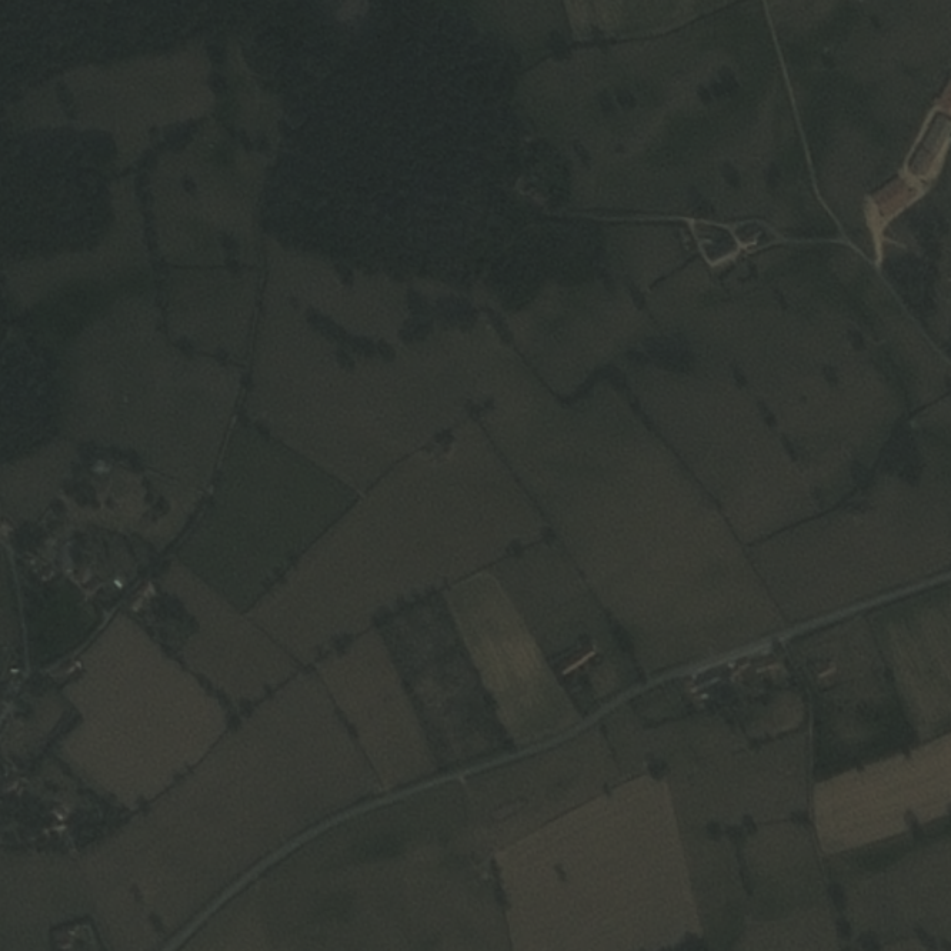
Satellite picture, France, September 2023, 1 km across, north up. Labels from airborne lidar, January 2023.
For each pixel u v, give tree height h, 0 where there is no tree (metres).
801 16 0
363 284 0
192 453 0
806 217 0
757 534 0
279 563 0
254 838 0
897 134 0
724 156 0
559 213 7
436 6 15
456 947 0
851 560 0
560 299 0
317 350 0
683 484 0
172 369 0
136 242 0
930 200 0
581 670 7
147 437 0
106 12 7
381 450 0
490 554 0
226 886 0
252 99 0
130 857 0
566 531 0
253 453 0
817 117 0
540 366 0
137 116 0
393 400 0
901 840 0
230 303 0
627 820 0
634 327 0
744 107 0
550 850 0
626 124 0
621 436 0
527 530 0
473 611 0
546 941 0
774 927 0
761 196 0
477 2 0
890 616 0
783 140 0
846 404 0
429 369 0
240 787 0
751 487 0
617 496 0
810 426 0
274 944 0
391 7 19
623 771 0
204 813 0
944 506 0
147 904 0
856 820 0
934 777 0
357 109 18
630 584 0
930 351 0
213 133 0
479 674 8
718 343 0
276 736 0
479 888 0
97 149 18
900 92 0
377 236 20
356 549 0
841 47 0
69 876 0
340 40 19
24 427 13
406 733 0
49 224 20
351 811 0
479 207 26
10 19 21
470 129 20
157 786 0
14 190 21
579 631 0
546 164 0
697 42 0
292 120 20
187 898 0
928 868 0
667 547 0
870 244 0
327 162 22
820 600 0
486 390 0
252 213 0
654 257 0
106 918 0
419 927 0
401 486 0
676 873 0
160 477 0
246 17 29
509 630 0
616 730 0
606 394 0
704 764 0
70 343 0
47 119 0
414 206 24
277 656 0
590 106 0
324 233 20
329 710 0
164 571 7
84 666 10
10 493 0
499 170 24
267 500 0
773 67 0
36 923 0
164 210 0
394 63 23
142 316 0
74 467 10
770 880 0
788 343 0
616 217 0
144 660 0
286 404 0
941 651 0
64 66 13
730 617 0
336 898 0
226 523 0
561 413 0
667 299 0
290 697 0
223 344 0
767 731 0
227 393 0
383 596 0
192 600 0
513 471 0
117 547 0
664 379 0
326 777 0
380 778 0
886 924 0
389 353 14
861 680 0
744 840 9
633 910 0
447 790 0
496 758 0
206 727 0
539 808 0
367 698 0
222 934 0
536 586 0
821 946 0
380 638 0
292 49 22
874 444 0
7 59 17
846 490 0
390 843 0
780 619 0
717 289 0
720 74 0
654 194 0
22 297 0
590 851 0
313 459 0
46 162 17
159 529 0
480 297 0
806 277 0
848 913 0
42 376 16
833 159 0
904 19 0
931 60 0
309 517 0
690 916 0
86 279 0
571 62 0
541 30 0
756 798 0
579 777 0
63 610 0
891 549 0
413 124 20
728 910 0
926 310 17
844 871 0
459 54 17
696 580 0
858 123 0
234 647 0
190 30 23
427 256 25
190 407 0
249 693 0
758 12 0
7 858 0
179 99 0
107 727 0
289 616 0
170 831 0
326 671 0
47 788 7
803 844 0
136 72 0
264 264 0
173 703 0
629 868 0
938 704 0
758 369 0
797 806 0
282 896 0
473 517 0
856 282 0
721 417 0
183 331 0
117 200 0
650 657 0
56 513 8
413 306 17
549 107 0
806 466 0
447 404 0
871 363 0
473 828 0
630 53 0
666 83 0
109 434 0
